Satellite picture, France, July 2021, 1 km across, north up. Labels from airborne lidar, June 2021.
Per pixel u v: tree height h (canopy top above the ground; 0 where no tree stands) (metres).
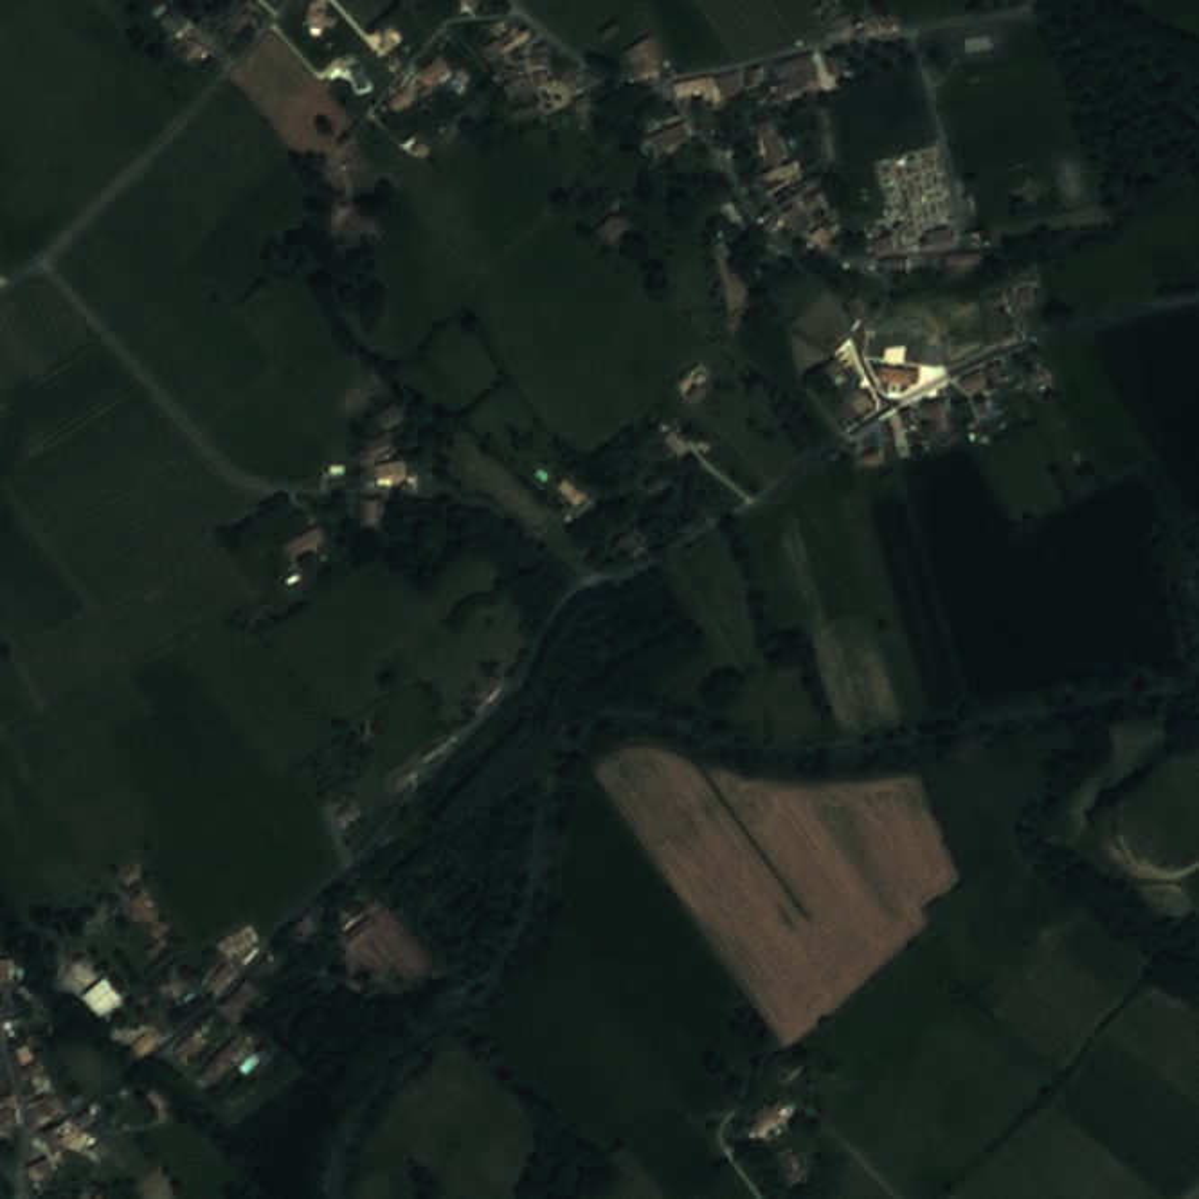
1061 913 0
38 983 20
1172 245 0
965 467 0
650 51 0
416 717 0
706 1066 10
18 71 0
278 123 0
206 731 0
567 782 11
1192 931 11
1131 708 9
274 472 0
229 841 0
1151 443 0
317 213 27
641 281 0
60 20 0
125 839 0
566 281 0
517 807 17
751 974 0
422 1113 0
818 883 0
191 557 0
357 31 0
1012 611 0
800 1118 13
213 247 0
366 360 13
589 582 0
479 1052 12
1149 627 0
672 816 0
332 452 0
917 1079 0
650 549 7
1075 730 18
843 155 0
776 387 12
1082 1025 0
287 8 0
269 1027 9
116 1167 0
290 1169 27
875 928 0
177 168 0
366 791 0
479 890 10
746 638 0
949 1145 0
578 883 0
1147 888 0
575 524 13
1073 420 0
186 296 0
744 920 0
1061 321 26
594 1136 0
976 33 0
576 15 0
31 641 0
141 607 0
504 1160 0
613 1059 0
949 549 0
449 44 0
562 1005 0
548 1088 0
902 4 0
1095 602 0
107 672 0
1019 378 0
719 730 16
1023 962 0
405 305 0
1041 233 13
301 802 0
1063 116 0
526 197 0
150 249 0
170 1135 0
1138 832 0
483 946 7
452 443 8
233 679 0
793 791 0
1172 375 0
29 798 0
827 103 8
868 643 0
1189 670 25
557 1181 19
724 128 6
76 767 0
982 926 0
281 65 0
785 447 0
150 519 0
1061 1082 7
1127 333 0
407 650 0
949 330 0
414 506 16
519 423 0
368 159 0
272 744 0
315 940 8
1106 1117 0
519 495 0
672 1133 0
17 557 0
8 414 0
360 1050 30
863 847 0
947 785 0
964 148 0
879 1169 0
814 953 0
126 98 0
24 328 0
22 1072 0
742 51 0
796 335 0
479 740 6
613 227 0
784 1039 0
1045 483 0
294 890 0
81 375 0
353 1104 13
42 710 0
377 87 0
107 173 0
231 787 0
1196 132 20
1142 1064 0
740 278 6
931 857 0
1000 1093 0
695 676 0
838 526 0
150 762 0
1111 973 0
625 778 0
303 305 0
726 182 11
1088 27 13
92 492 0
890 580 0
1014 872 0
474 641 0
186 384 0
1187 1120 0
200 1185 0
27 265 0
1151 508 0
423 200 0
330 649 0
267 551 0
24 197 0
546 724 20
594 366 0
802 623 0
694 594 0
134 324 0
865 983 0
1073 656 0
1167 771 0
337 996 12
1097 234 7
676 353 0
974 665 0
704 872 0
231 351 0
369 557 9
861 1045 0
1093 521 0
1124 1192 0
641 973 0
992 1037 0
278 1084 0
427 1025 25
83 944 0
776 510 0
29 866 0
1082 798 0
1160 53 8
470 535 18
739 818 0
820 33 0
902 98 0
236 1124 0
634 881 0
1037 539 0
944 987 7
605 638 14
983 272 10
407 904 19
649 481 6
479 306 0
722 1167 13
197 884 0
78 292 0
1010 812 0
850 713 0
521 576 14
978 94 0
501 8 10
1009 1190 0
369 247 13
